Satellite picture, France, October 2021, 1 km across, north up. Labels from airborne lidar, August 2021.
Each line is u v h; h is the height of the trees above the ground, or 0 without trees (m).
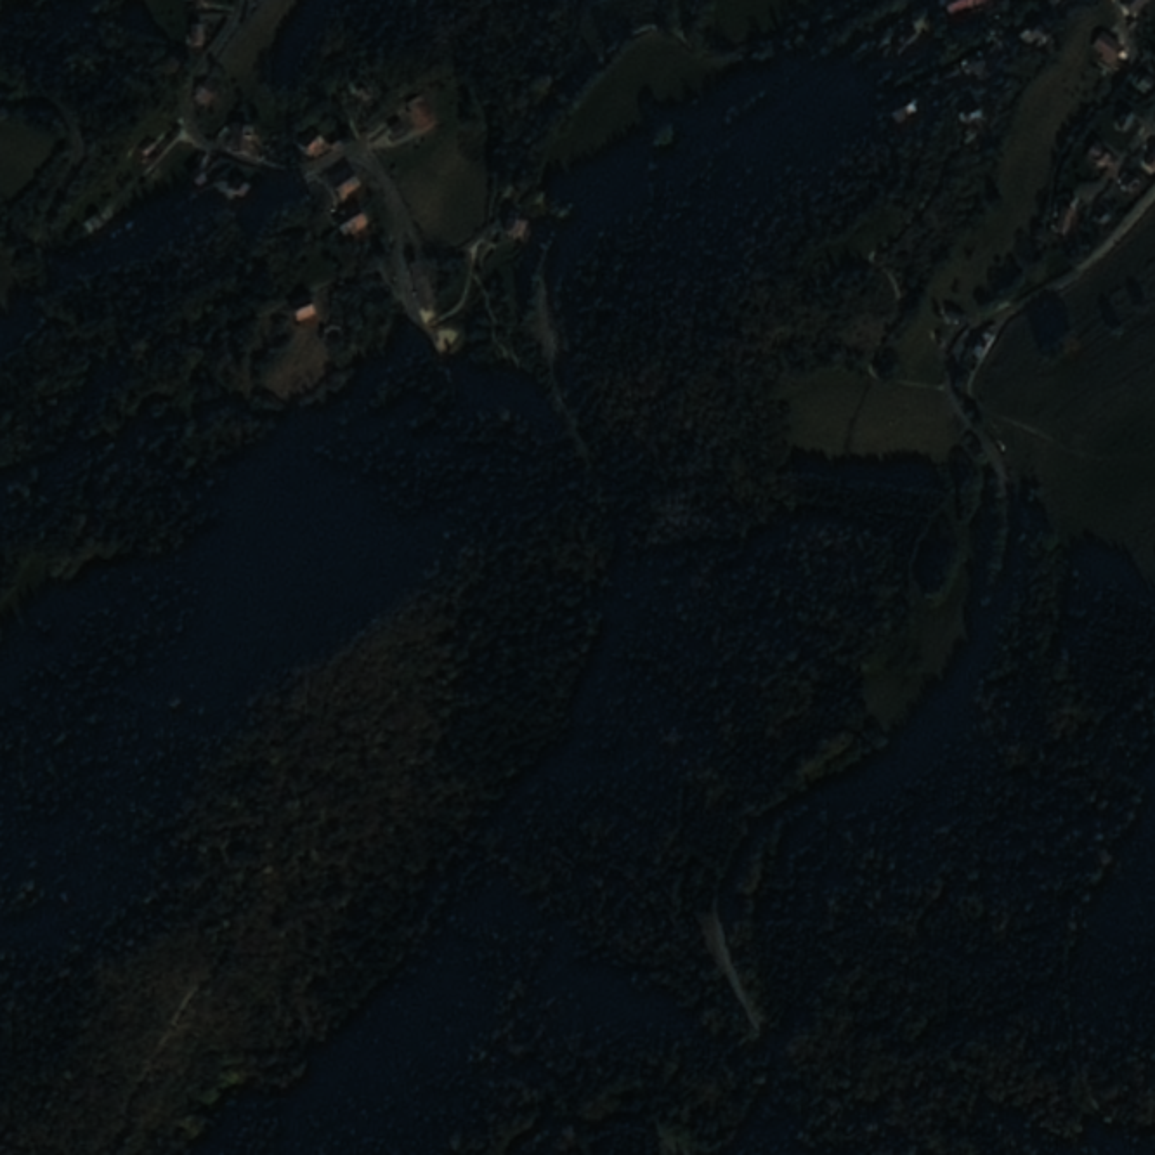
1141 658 23
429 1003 23
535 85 36
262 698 18
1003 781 32
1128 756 19
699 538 35
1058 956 33
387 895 21
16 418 15
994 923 28
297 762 19
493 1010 29
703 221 28
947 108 6
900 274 6
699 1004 25
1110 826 21
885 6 18
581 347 27
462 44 15
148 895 25
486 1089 31
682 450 19
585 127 0
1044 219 12
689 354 14
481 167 0
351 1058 7
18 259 21
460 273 12
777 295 13
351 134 9
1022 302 0
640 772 30
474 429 31
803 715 20
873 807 24
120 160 6
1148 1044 19
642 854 29
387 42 19
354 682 14
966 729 25
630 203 25
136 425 0
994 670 25
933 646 0
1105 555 0
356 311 9
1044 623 22
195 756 27
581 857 28
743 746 21
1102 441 0
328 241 6
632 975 31
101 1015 12
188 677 21
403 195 0
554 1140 26
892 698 0
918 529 30
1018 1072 27
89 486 10
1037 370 0
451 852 20
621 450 17
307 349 0
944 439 0
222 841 17
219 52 0
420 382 25
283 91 26
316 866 13
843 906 25
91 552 19
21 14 18
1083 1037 22
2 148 0
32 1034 19
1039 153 0
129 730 21
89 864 27
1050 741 28
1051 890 25
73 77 24
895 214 0
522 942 23
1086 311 0
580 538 26
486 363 6
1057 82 0
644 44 0
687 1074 34
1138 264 0
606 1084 26
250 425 22
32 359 14
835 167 21
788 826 7
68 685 33
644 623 37
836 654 23
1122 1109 21
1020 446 0
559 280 14
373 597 20
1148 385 0
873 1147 21
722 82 0
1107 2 0
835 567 32
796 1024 20
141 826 20
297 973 20
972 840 24
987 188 6
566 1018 28
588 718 37
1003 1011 24
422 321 0
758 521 25
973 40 9
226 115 0
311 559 19
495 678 29
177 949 12
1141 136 0
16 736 25
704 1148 15
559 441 33
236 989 14
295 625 23
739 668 30
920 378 0
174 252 24
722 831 25
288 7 0
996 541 20
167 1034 13
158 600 30
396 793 19
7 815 24
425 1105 30
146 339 23
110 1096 14
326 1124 31
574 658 25
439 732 28
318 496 36
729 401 7
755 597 34
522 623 29
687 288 24
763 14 0
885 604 33
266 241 27
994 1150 25
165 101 6
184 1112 23
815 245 7
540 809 24
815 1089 26
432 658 20
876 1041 20
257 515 6
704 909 14
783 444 17
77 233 6
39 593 0
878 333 0
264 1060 28
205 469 12
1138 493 0
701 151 21
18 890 37
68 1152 11
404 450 15
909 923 26
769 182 25
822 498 26
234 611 31
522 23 33
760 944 18
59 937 15
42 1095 15
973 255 7
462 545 27
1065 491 0
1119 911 19
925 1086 32
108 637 30
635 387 12
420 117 0
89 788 22
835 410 0
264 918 21
